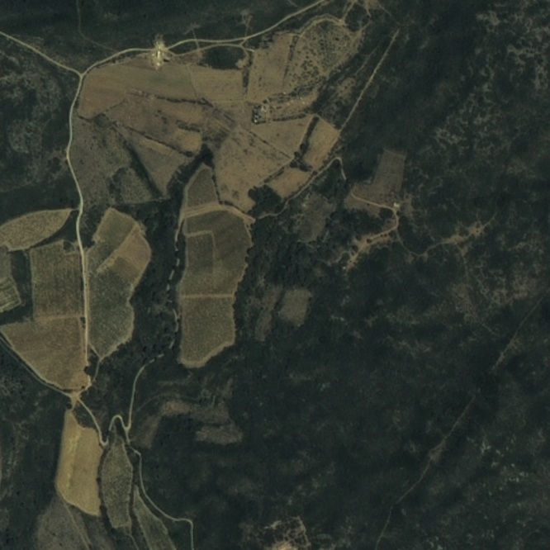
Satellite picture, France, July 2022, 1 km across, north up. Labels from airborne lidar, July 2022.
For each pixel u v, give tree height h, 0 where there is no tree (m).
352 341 6
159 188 0
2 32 0
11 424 0
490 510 0
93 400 0
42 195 0
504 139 0
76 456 0
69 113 0
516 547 0
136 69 0
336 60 0
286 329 8
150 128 0
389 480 0
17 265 0
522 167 0
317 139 0
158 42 0
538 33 0
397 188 0
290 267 7
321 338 6
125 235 0
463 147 0
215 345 0
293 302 0
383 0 0
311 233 0
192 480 0
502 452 0
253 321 7
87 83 0
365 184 0
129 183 0
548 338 0
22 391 6
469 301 0
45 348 0
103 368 11
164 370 6
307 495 0
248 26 0
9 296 0
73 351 0
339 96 0
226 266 0
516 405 0
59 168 0
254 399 0
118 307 0
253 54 0
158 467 7
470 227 0
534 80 0
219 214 0
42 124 0
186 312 0
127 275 0
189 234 0
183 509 0
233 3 0
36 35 0
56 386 0
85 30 0
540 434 0
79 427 0
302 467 0
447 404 6
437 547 0
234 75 0
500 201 5
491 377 5
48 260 0
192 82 0
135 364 0
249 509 6
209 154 9
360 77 0
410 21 0
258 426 0
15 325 0
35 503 10
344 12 0
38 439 0
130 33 0
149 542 0
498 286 0
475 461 0
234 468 5
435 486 0
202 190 0
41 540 0
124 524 0
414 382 0
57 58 0
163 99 0
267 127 0
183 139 0
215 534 0
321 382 0
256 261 10
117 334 0
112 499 0
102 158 0
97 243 0
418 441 5
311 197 0
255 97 0
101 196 0
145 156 0
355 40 0
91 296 0
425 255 0
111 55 0
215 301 0
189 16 0
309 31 0
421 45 0
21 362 7
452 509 0
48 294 0
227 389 0
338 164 8
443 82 0
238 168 0
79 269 0
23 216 0
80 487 0
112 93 0
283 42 0
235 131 0
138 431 0
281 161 0
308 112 0
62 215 0
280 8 0
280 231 13
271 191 8
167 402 0
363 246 0
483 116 0
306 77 0
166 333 8
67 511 0
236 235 0
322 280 8
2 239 0
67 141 0
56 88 0
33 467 0
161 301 7
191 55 0
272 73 0
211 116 0
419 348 0
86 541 0
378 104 0
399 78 0
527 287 0
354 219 7
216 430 0
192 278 0
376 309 6
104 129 0
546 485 0
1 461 0
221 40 0
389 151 0
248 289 10
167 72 0
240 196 0
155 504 0
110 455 0
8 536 8
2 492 0
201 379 8
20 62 0
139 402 0
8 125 0
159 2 7
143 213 10
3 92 0
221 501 0
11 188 0
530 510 0
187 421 8
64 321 0
